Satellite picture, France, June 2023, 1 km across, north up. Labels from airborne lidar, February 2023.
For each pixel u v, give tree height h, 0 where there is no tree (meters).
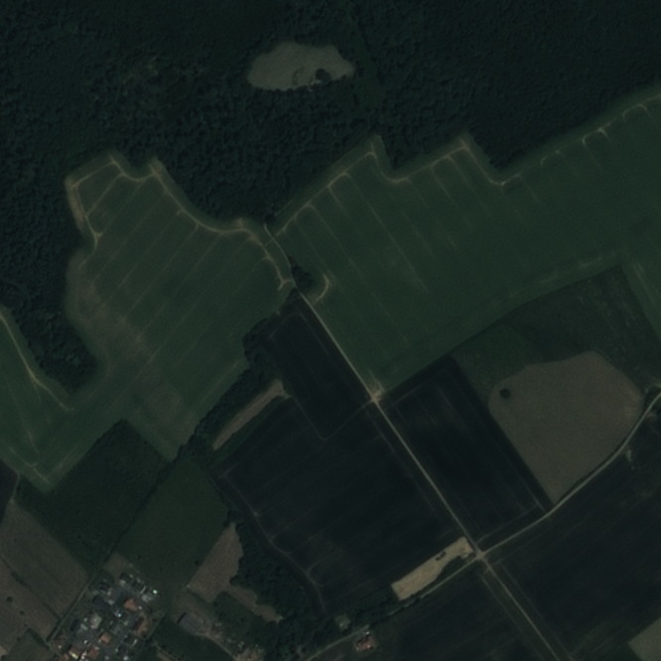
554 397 0
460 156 0
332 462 0
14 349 0
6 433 0
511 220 0
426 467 0
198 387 0
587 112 10
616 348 0
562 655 0
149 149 21
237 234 0
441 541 0
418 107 18
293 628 25
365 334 0
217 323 0
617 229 0
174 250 0
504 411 0
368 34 24
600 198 0
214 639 0
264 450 0
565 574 0
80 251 0
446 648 0
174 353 0
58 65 21
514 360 0
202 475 0
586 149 0
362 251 0
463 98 10
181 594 0
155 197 0
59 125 17
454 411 0
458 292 0
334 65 0
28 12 28
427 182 0
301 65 0
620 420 0
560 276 0
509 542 0
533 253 0
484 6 19
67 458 0
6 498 0
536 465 0
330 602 0
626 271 0
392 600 8
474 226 0
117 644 0
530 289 0
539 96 8
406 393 0
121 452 0
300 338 0
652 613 0
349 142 17
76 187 0
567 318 0
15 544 0
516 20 15
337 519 0
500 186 0
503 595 0
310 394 0
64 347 23
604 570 0
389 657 0
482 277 0
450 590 0
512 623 0
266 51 13
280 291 0
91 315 0
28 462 0
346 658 0
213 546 0
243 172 24
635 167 0
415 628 0
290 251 0
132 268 0
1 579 0
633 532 0
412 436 0
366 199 0
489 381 0
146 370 0
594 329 0
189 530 0
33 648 0
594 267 0
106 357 0
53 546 0
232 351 0
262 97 20
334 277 0
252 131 28
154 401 0
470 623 0
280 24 25
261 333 0
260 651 0
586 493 0
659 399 0
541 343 0
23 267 21
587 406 0
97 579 0
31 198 15
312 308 0
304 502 0
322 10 28
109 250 0
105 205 0
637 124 0
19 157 20
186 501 0
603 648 0
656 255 0
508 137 10
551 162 0
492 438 0
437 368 0
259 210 19
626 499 0
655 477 0
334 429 0
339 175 0
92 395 0
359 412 0
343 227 0
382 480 0
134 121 10
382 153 0
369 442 0
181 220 0
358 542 0
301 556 0
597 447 0
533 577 0
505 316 0
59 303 11
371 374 0
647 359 0
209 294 0
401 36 21
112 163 0
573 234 0
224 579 0
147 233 0
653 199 0
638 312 0
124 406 0
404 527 0
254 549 12
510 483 0
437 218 0
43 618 0
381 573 0
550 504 0
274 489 0
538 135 7
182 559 0
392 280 0
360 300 0
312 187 0
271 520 0
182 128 28
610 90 8
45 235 16
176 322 0
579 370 0
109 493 0
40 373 0
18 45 22
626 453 0
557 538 0
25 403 0
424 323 0
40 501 0
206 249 0
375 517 0
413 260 0
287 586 18
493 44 14
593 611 0
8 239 16
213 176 25
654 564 0
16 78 25
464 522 0
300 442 0
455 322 0
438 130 23
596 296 0
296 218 0
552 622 0
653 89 0
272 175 22
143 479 0
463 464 0
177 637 0
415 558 0
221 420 15
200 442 12
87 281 0
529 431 0
